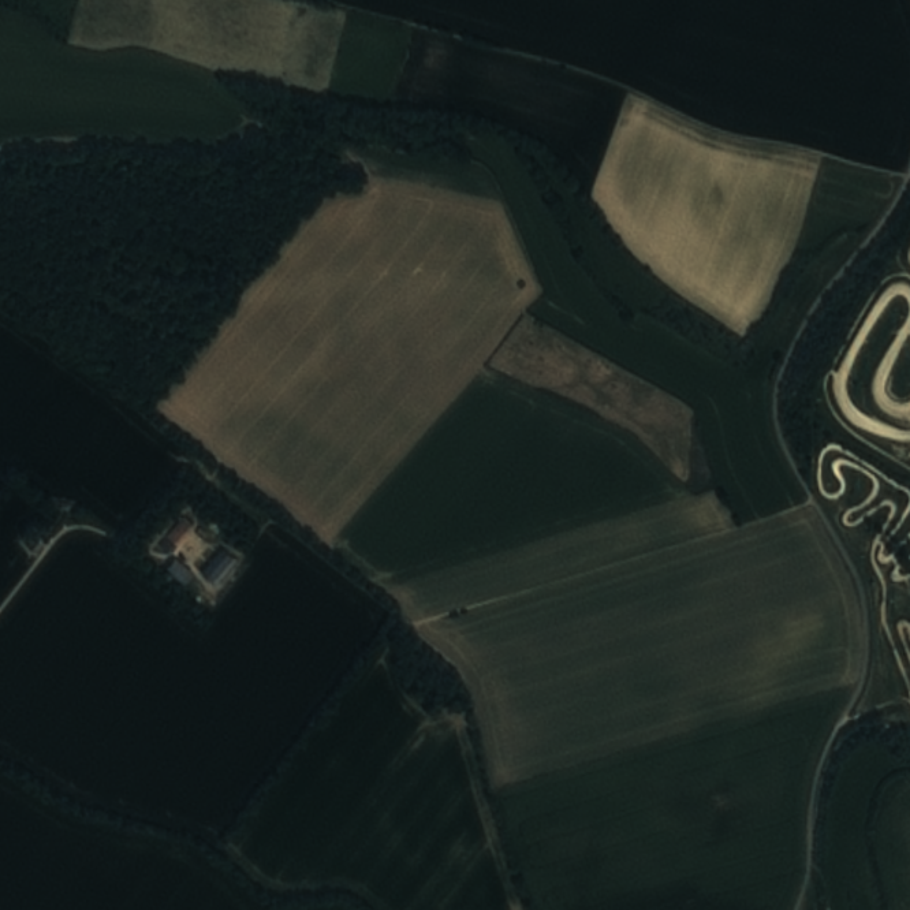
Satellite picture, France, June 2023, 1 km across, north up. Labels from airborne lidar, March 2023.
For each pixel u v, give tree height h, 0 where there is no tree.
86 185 18
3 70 0
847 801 0
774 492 0
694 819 0
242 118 0
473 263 0
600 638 0
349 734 0
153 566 15
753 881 0
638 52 0
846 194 0
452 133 17
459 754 0
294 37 0
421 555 0
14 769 13
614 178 0
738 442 0
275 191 23
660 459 0
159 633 0
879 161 0
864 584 0
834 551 0
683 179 0
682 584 0
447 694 12
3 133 0
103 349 22
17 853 0
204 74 0
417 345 0
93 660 0
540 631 0
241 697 0
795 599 0
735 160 0
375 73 0
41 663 0
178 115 0
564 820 0
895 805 0
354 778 0
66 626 0
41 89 0
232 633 0
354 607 0
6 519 0
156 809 0
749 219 0
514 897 0
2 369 0
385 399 0
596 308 0
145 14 0
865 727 9
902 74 0
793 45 0
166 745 0
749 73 0
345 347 0
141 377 22
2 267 19
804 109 0
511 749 0
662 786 0
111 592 0
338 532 0
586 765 0
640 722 0
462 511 0
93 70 0
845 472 0
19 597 0
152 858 0
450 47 0
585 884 0
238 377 0
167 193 20
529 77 0
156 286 21
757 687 0
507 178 0
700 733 0
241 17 0
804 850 0
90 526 0
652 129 0
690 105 0
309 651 0
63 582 0
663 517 0
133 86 0
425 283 0
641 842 0
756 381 0
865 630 0
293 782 0
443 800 0
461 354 0
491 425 0
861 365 0
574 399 0
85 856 0
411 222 0
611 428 0
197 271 18
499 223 0
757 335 12
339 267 0
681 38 0
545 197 11
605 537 0
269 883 0
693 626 0
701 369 0
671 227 0
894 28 0
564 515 0
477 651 0
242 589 0
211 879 0
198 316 28
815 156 0
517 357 0
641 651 0
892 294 0
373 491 0
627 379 0
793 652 0
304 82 0
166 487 10
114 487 0
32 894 0
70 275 25
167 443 0
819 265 0
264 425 0
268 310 0
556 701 0
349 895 13
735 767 0
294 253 0
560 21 0
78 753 0
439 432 0
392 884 0
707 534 0
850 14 0
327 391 0
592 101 0
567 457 0
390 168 0
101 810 13
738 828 0
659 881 0
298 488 0
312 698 0
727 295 0
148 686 0
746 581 0
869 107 0
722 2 0
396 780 0
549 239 0
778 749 0
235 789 0
